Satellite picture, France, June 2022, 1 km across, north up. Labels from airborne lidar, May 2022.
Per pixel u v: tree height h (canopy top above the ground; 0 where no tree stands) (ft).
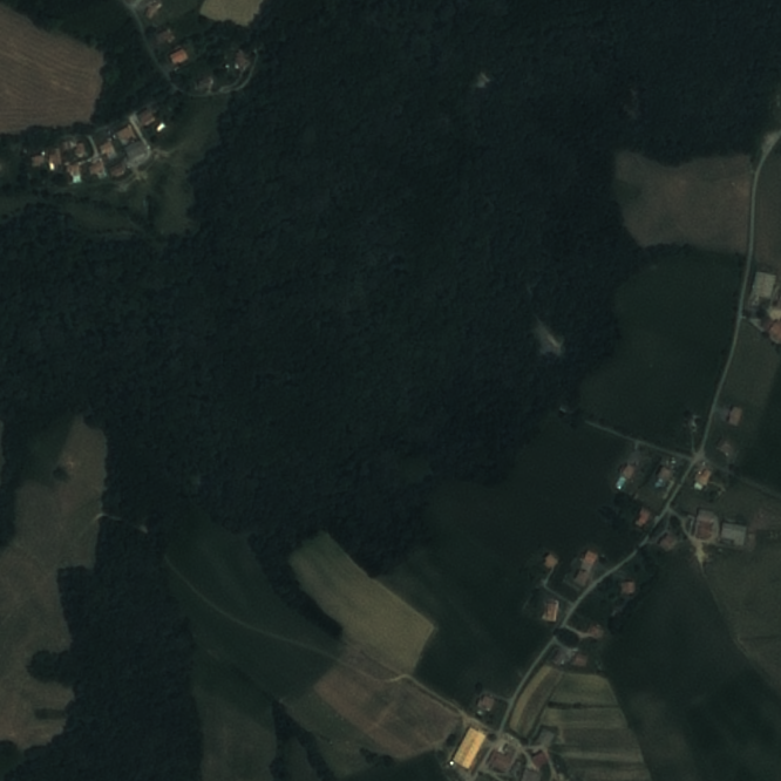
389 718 0
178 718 73
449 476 60
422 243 88
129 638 65
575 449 0
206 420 71
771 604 0
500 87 77
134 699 74
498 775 0
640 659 0
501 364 56
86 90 0
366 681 0
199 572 0
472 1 103
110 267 100
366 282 89
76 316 94
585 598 0
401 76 82
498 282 76
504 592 0
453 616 0
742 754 0
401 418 84
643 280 0
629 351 0
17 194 42
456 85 80
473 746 0
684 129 72
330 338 90
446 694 0
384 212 62
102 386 83
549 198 74
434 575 0
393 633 0
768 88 58
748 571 0
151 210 31
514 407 70
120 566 78
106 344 85
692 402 0
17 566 0
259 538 64
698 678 0
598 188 39
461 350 75
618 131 73
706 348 0
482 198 74
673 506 24
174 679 72
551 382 71
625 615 26
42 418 66
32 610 0
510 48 78
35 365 84
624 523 56
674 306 0
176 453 86
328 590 0
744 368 0
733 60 87
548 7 52
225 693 0
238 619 0
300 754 0
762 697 0
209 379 78
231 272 97
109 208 46
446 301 86
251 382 82
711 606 0
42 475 0
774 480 0
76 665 44
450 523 0
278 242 86
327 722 0
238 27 43
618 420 0
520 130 80
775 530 0
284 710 47
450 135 67
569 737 0
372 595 0
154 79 24
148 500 93
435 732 0
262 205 67
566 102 68
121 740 68
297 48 91
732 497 0
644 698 0
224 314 80
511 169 82
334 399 100
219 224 76
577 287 62
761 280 0
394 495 62
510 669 0
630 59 93
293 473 88
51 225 61
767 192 0
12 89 0
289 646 0
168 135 0
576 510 0
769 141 0
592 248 63
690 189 0
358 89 88
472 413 55
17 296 79
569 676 0
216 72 31
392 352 94
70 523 0
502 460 71
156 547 48
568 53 77
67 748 76
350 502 71
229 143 71
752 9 84
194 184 55
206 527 0
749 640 0
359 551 60
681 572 0
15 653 0
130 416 77
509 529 0
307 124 77
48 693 0
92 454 0
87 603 78
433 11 43
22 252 95
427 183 77
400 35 86
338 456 85
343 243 75
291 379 82
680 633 0
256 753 0
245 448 82
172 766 63
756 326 0
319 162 85
